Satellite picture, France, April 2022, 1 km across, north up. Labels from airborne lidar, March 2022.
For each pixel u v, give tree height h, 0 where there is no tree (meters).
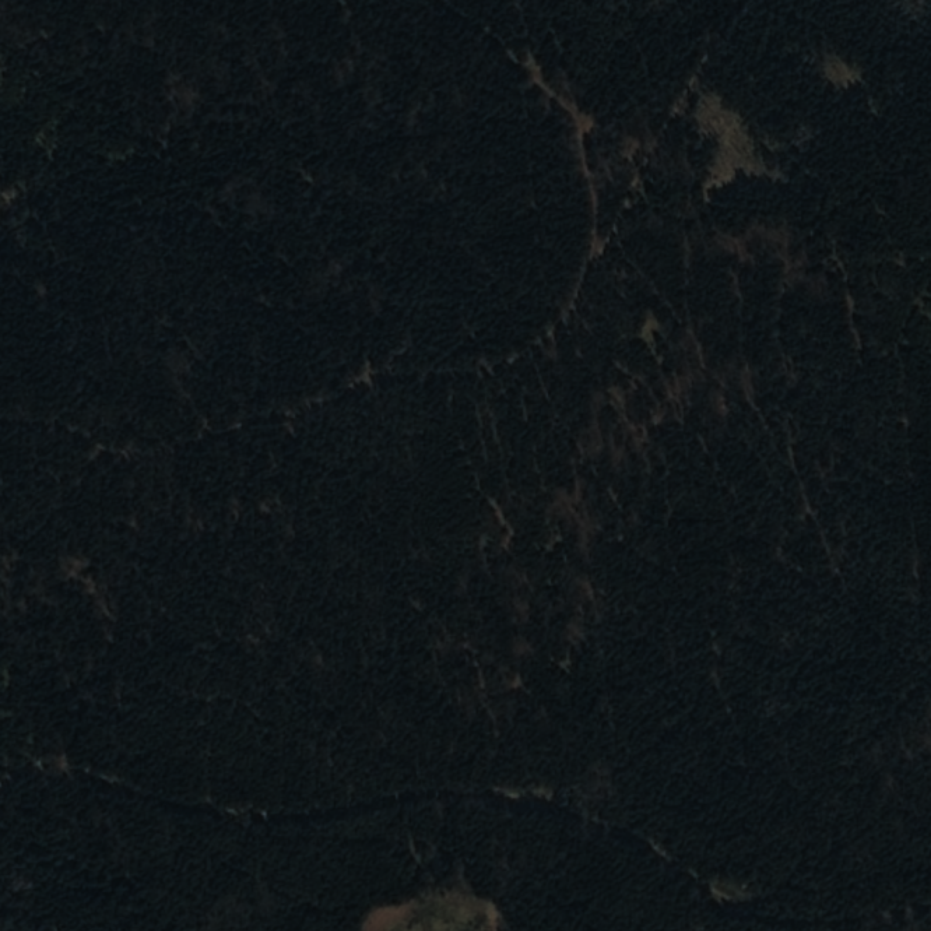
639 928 22
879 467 22
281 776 20
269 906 22
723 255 14
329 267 19
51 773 20
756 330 20
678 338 16
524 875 25
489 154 19
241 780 15
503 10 21
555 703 18
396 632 18
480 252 19
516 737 18
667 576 17
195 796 14
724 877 24
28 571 19
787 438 17
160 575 19
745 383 14
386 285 21
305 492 25
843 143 24
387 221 26
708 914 24
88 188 18
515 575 15
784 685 20
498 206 13
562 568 15
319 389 18
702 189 20
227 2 19
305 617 18
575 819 26
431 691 13
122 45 19
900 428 18
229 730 15
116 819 21
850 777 15
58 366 20
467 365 18
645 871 25
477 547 7
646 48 10
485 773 24
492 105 21
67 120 13
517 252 16
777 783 25
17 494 24
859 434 17
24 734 18
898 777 19
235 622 18
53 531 22
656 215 14
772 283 17
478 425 13
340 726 21
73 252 24
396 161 25
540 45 16
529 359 18
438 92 18
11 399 19
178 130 17
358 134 14
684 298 15
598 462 18
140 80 18
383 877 23
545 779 15
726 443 12
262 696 17
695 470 16
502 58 16
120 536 19
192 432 17
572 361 17
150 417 18
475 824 26
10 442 22
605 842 28
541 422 18
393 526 17
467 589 14
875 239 13
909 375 15
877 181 10
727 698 12
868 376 10
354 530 20
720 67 30
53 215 23
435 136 22
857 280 9
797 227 17
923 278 8
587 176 14
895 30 27
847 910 26
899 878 22
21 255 17
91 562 15
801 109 26
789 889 18
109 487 19
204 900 17
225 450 22
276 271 23
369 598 17
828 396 14
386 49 21
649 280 14
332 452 24
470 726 22
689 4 14
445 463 12
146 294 24
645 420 13
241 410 21
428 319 17
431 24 21
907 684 28
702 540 18
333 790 22
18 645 24
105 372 18
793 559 17
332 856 21
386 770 24
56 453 20
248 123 17
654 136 15
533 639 21
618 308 17
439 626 16
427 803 24
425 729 21
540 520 11
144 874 20
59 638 19
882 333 13
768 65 25
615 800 25
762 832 12
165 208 14
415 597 18
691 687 20
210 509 19
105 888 19
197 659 18
